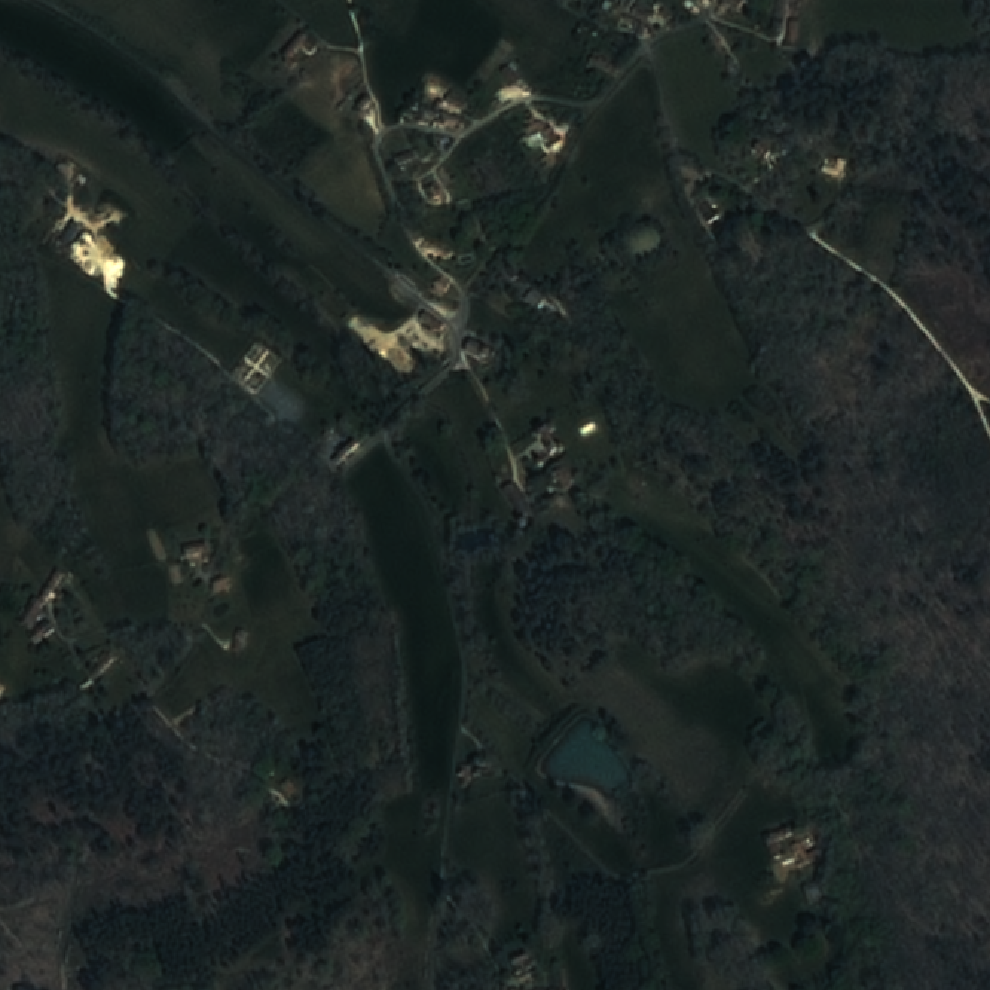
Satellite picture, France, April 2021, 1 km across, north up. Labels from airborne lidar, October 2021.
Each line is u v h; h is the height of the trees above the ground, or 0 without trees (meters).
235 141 19
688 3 0
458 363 0
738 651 24
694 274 0
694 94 0
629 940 18
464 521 15
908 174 16
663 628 23
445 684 0
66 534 16
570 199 0
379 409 9
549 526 0
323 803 17
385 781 17
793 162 10
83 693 6
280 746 14
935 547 13
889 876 20
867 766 22
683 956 0
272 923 17
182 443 16
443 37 0
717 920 22
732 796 0
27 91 0
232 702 19
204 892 16
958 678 19
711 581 0
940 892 23
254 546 0
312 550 16
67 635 7
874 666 22
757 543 20
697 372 0
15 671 0
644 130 0
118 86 0
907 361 15
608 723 19
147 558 0
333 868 17
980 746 19
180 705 0
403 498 0
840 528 12
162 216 0
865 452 19
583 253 11
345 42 0
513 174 8
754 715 0
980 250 13
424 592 0
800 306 23
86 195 21
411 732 9
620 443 15
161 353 21
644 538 20
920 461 17
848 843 23
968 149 9
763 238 8
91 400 0
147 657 20
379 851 15
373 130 12
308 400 0
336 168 0
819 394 16
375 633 15
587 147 0
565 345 23
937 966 19
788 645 0
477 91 9
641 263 13
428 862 0
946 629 19
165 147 0
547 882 21
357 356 23
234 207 0
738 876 0
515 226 25
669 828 0
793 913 0
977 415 18
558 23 0
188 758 18
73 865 14
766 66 0
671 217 0
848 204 16
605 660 16
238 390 17
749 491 19
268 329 22
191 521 0
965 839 20
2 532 0
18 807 23
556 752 0
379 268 0
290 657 0
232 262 0
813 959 9
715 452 19
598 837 0
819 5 0
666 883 0
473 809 0
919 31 0
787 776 21
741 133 14
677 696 0
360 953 20
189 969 18
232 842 0
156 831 16
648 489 0
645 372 9
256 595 0
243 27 0
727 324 0
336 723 12
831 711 0
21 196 19
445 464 0
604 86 10
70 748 22
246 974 9
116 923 19
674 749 0
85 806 29
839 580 18
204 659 0
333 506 9
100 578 9
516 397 23
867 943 22
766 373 13
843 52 19
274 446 0
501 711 9
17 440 18
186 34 0
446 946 21
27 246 20
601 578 15
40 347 24
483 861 0
